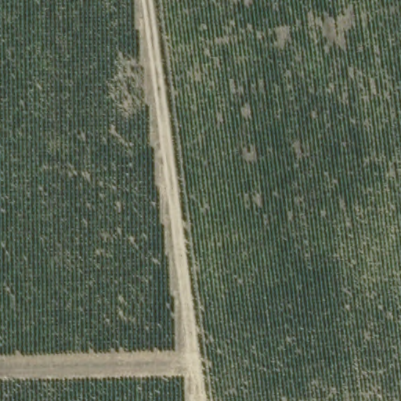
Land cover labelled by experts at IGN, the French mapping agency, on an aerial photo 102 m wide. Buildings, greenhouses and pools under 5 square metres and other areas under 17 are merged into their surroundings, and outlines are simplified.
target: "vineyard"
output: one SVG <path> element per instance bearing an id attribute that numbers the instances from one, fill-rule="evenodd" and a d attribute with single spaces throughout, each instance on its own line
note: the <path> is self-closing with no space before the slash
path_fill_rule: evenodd
<path id="1" fill-rule="evenodd" d="M 179 185 L 186 262 L 207 401 L 401 401 L 401 0 L 154 0 L 172 150 Z"/>
<path id="2" fill-rule="evenodd" d="M 0 381 L 0 401 L 185 401 L 185 381 L 182 378 L 166 376 Z"/>
<path id="3" fill-rule="evenodd" d="M 172 316 L 174 296 L 169 290 L 169 258 L 164 252 L 160 196 L 155 183 L 155 152 L 154 147 L 150 146 L 149 139 L 149 105 L 144 102 L 144 66 L 139 58 L 139 39 L 139 31 L 135 25 L 135 0 L 0 0 L 0 356 L 9 356 L 16 352 L 23 356 L 34 356 L 121 349 L 127 352 L 154 349 L 172 351 L 175 348 L 175 326 Z"/>

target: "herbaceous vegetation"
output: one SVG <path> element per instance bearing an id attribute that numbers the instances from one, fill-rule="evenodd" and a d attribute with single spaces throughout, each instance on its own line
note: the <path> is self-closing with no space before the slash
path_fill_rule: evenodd
<path id="1" fill-rule="evenodd" d="M 172 351 L 154 349 L 127 352 L 121 349 L 34 356 L 23 356 L 16 352 L 9 356 L 0 356 L 0 381 L 166 376 L 182 378 L 186 368 L 183 356 L 185 343 L 182 337 L 179 280 L 174 263 L 168 200 L 160 196 L 164 252 L 169 258 L 169 290 L 174 296 L 172 316 L 175 326 L 175 348 Z"/>
<path id="2" fill-rule="evenodd" d="M 160 135 L 157 116 L 152 110 L 155 107 L 155 100 L 150 78 L 149 55 L 146 39 L 139 39 L 139 58 L 144 66 L 144 102 L 149 105 L 149 139 L 150 146 L 154 147 L 155 152 L 160 150 Z"/>

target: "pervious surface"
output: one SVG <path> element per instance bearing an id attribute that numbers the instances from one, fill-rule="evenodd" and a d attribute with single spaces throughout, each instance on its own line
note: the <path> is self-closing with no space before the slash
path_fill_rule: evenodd
<path id="1" fill-rule="evenodd" d="M 160 150 L 155 152 L 155 183 L 160 196 L 168 200 L 174 263 L 179 280 L 182 337 L 185 343 L 183 356 L 186 368 L 182 378 L 185 381 L 185 401 L 207 401 L 186 262 L 179 185 L 172 150 L 154 0 L 135 0 L 135 25 L 139 31 L 139 39 L 146 39 L 149 55 L 150 78 L 155 100 L 155 107 L 152 110 L 157 116 L 160 135 Z"/>

